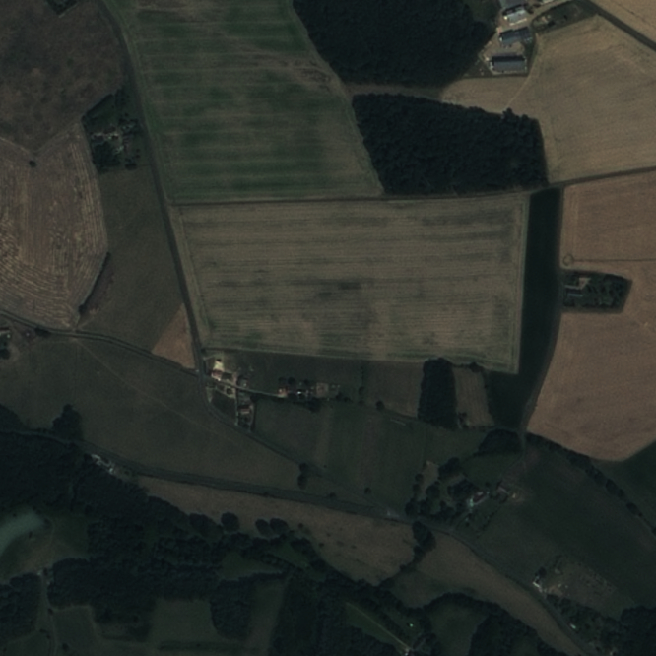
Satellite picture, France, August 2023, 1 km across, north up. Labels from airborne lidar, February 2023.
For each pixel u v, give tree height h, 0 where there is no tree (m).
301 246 0
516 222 0
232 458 0
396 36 24
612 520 0
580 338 0
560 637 0
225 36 0
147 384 0
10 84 0
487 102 0
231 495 0
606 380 0
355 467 0
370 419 0
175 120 0
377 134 16
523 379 0
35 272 0
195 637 0
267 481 0
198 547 18
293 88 0
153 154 0
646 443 0
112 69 0
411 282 0
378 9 27
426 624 11
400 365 0
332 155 0
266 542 8
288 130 0
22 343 0
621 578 0
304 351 0
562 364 0
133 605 16
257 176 0
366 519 0
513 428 0
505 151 21
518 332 0
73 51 0
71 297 0
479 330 0
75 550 0
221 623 21
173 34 0
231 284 0
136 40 0
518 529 0
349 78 15
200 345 0
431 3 26
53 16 0
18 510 0
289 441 0
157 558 6
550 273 0
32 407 0
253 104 0
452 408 14
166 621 0
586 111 0
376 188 0
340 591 14
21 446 16
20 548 0
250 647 0
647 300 0
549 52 0
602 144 0
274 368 0
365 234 0
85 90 0
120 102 6
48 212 0
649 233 0
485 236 0
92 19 0
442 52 22
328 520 0
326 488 0
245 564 0
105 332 0
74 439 13
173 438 0
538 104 0
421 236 0
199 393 0
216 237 0
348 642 20
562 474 0
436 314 0
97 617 0
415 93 0
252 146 0
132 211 0
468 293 0
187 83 0
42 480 23
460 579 0
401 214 0
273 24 0
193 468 0
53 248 0
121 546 15
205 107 0
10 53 0
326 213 0
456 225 0
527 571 0
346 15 26
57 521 0
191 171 0
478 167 16
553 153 0
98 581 21
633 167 0
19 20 0
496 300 0
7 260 0
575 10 0
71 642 0
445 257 0
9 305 0
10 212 0
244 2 0
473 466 0
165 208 0
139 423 0
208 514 0
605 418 0
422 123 13
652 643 14
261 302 0
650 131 0
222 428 0
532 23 0
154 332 0
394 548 0
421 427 0
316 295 0
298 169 0
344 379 0
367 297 0
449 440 0
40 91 0
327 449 0
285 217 0
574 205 0
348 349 0
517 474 0
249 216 0
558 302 0
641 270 0
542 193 0
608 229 0
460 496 19
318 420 0
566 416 0
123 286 0
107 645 0
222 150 0
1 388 0
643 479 0
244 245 0
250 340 0
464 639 0
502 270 0
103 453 0
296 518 0
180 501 0
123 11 0
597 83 0
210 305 0
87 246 0
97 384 0
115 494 14
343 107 0
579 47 0
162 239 0
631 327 0
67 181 0
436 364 13
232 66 0
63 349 0
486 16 0
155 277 0
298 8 16
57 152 0
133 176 0
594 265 0
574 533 0
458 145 16
